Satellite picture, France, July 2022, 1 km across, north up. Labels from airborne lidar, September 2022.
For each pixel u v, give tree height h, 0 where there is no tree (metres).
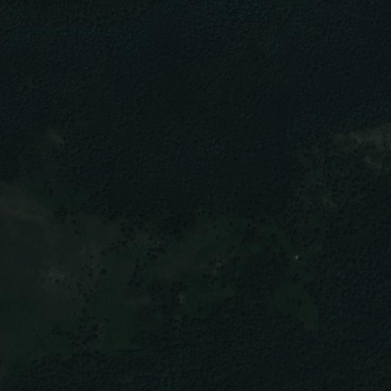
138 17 14
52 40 26
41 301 0
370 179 19
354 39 26
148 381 25
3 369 0
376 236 25
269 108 20
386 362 30
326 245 25
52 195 11
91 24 27
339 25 28
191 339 30
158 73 23
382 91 21
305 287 12
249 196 18
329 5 28
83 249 0
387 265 20
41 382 25
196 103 23
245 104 19
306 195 15
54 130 0
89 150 16
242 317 15
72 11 31
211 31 23
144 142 18
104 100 17
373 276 19
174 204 16
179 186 17
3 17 19
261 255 7
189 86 19
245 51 23
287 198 13
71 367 18
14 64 15
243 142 19
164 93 20
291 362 25
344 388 20
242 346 19
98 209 15
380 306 19
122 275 0
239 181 17
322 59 28
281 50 21
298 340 10
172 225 16
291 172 20
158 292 14
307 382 25
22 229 0
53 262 0
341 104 25
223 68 18
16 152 11
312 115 23
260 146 17
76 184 17
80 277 0
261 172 19
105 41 19
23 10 23
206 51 14
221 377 13
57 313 0
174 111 18
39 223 0
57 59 17
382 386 27
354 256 10
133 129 10
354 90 27
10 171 18
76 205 0
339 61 25
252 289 20
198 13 15
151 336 13
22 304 0
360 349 22
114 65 22
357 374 25
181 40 26
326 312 20
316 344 29
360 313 20
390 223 23
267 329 17
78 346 18
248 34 23
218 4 28
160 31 19
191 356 29
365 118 18
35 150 14
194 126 19
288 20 19
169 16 21
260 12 16
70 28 23
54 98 9
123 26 18
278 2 26
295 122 21
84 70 21
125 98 11
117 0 22
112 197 20
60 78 18
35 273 0
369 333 24
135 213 10
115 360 8
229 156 21
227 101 21
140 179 13
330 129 17
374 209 26
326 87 23
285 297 0
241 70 22
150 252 11
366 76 28
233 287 6
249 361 14
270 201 16
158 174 10
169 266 0
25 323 0
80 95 17
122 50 24
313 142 13
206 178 16
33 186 0
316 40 23
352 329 12
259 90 20
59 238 0
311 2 29
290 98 23
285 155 16
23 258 0
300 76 25
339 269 12
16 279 0
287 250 0
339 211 9
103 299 0
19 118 20
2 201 0
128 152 18
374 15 26
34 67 17
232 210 18
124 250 0
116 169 23
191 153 16
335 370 31
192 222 21
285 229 15
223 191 22
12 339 0
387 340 25
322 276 19
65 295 0
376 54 25
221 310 30
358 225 29
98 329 24
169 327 24
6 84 20
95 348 0
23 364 0
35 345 0
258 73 14
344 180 17
